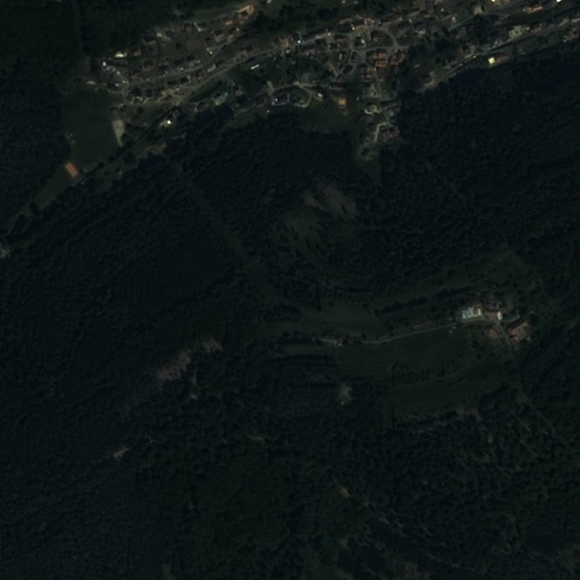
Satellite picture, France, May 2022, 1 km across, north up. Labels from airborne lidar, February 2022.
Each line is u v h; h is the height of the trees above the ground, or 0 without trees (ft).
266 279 0
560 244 94
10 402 61
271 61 0
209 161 46
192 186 0
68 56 73
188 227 54
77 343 42
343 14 0
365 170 0
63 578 58
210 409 101
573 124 35
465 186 56
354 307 0
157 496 66
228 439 96
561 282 74
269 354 57
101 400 76
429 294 0
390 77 0
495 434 118
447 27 0
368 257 20
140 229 67
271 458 104
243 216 48
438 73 0
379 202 73
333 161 54
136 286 60
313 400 66
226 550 89
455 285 0
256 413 117
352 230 0
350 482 91
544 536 33
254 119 0
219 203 53
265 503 83
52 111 79
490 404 70
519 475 45
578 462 0
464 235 47
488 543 89
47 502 55
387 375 0
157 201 75
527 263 68
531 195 75
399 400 0
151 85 0
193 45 0
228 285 85
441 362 0
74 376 68
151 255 57
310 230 0
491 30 0
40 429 50
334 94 0
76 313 68
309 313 0
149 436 83
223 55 0
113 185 0
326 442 97
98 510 65
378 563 48
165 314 86
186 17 42
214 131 83
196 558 100
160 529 72
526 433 93
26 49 75
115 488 58
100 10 66
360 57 0
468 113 69
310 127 0
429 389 0
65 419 47
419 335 0
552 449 77
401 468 110
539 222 83
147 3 72
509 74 0
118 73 0
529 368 61
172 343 83
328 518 86
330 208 0
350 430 96
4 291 90
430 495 105
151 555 81
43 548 69
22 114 100
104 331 54
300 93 0
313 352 0
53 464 55
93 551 62
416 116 73
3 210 84
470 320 0
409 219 38
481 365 0
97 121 0
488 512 89
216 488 72
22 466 57
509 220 77
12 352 44
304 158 51
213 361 64
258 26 59
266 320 49
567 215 85
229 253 51
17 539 52
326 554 115
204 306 89
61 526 48
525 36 0
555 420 87
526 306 30
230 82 0
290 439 95
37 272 49
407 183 108
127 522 59
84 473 62
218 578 25
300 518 124
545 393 56
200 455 99
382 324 0
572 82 106
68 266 75
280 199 53
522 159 86
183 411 82
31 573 63
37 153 69
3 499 54
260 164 36
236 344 90
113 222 74
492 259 0
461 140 40
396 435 68
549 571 92
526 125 49
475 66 0
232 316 91
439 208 50
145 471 51
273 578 75
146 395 65
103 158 0
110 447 71
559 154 36
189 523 97
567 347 82
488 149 59
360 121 23
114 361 87
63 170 0
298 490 115
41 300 55
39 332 50
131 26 69
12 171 76
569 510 35
